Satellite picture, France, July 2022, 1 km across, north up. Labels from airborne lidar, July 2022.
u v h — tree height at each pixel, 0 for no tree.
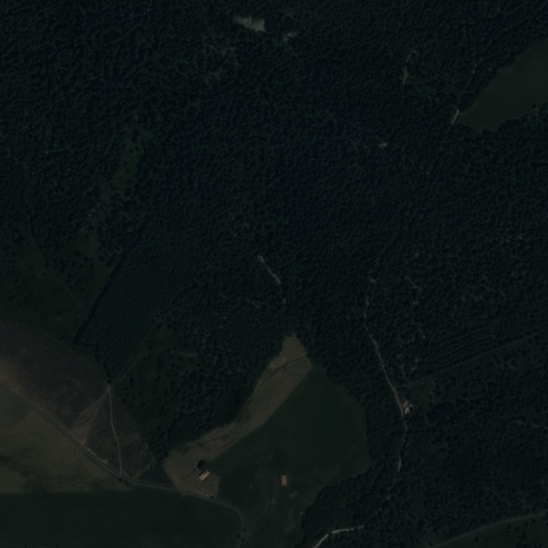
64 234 13
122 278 22
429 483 13
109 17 31
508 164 15
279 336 27
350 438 0
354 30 13
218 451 0
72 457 0
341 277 25
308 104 25
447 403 10
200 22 23
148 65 38
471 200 27
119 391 0
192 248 27
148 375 0
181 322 19
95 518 0
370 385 10
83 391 0
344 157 25
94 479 0
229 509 0
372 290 13
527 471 15
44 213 13
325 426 0
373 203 21
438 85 13
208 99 20
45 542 0
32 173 9
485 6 21
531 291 13
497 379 8
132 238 16
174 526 0
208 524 0
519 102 0
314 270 23
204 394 12
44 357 0
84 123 23
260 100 33
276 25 23
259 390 0
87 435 0
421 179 21
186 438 14
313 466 0
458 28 7
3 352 0
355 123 26
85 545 0
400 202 23
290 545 0
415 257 6
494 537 0
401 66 6
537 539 0
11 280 0
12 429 0
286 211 9
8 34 31
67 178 22
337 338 15
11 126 20
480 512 15
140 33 22
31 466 0
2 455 0
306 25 14
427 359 16
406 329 15
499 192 14
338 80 21
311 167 27
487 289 14
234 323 23
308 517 9
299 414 0
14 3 24
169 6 28
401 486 15
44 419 0
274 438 0
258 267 26
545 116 12
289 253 26
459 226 24
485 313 16
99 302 17
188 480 0
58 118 17
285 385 0
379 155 18
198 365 8
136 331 21
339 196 25
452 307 14
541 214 22
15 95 19
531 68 0
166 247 25
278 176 22
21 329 0
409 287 15
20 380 0
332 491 10
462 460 6
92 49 18
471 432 17
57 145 6
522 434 11
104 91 28
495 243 11
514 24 24
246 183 28
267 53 25
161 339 0
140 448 0
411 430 10
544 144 8
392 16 22
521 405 11
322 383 0
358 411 0
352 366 19
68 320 0
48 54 23
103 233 21
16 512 0
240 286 20
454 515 8
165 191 16
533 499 10
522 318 14
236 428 0
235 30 27
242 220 33
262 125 34
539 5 24
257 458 0
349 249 14
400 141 25
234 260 25
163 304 22
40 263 0
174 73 18
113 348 21
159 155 21
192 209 25
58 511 0
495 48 20
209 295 17
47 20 23
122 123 24
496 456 15
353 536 7
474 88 21
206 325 22
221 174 17
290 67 23
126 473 0
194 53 24
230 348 14
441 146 21
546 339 12
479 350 16
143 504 0
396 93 12
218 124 31
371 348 16
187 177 16
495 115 0
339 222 19
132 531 0
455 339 18
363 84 19
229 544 0
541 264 17
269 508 0
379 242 24
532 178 16
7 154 23
